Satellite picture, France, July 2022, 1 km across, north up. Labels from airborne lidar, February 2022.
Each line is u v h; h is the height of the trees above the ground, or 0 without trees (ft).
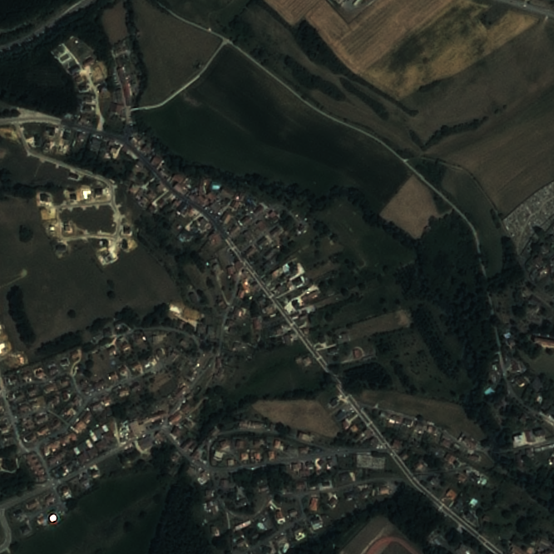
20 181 0
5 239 0
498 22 0
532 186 0
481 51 0
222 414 40
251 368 0
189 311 0
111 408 38
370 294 0
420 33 0
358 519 62
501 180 0
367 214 49
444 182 0
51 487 0
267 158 0
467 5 0
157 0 37
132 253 0
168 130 0
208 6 0
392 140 0
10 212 0
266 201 0
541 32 0
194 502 54
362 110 0
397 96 0
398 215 0
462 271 50
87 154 47
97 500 0
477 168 0
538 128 0
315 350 0
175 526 68
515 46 0
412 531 84
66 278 0
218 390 45
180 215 0
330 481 0
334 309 23
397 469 0
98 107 0
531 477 29
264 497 0
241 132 0
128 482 0
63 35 43
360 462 0
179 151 0
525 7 0
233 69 0
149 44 0
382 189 0
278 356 0
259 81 0
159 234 21
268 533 26
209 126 0
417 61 0
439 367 30
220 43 0
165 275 0
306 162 0
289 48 0
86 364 30
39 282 0
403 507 77
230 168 0
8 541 0
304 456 0
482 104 0
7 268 0
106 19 0
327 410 0
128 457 56
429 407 0
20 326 51
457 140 0
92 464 0
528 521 46
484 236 0
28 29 43
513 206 0
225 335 0
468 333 52
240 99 0
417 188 0
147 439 0
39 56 21
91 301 0
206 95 0
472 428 0
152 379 20
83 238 0
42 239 0
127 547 0
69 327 0
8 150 0
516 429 0
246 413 0
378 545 0
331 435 0
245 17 0
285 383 0
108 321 27
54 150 0
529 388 19
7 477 24
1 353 0
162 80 0
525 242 0
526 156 0
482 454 0
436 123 0
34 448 0
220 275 0
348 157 0
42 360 18
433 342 28
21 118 0
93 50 42
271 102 0
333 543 77
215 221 0
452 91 0
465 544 42
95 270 0
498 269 0
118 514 0
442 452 0
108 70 29
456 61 0
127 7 24
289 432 29
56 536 0
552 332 47
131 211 0
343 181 0
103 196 0
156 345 0
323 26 0
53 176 0
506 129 0
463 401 34
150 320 39
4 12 19
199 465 0
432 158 0
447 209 0
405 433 0
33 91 26
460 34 0
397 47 0
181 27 0
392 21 0
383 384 33
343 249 0
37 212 0
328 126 0
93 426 0
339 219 0
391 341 0
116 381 0
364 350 0
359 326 0
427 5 0
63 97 19
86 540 0
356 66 0
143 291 0
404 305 0
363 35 0
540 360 0
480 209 0
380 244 0
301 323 21
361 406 0
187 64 0
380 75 0
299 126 0
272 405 0
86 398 0
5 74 20
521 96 0
